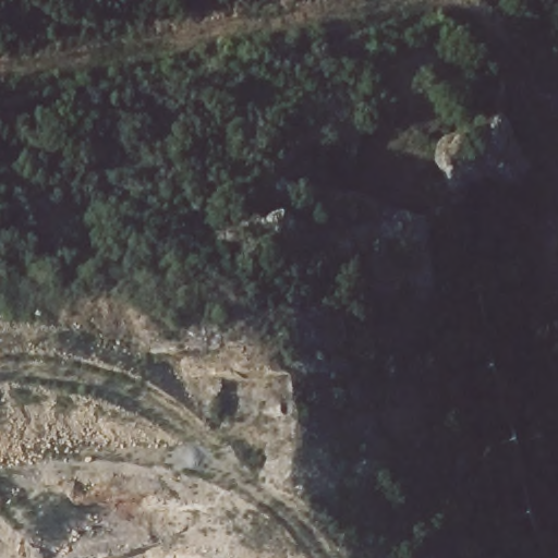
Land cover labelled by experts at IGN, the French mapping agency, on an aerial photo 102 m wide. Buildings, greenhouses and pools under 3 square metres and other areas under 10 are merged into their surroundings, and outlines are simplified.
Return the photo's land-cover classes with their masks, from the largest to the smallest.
<instances>
[{"label":"deciduous trees","instance_id":"1","mask_svg":"<svg viewBox=\"0 0 558 558\"><path fill-rule=\"evenodd\" d=\"M305 0H0V54H35L44 50L48 44L57 41H61V50L76 48L78 28L87 31L89 35H96L107 24V20L122 17L129 22L137 20L146 28H153L157 20L185 22L203 20L211 13L231 15L235 7L242 17L264 20L262 26L251 33L229 35L218 44L216 39L207 41L205 50L192 52L187 48L177 52L172 65L163 70L161 76L153 74V63L146 59L126 63L124 70H116V74L111 76L105 68H92L89 81L85 85L76 81L74 70H61L57 76L50 78H39V72H31L24 74V78L35 87L31 89V94L26 92L0 98V268L9 266L22 277L31 272L39 283H44L52 275H59L61 283L70 286L78 268L89 259L96 266L98 279L111 288H116L120 296H124L140 314L146 316L148 329H157L161 340L177 342L183 340L187 336V329L192 327L216 325L233 342L246 338L253 344H262L268 349L270 368L286 371L292 377L296 403V434L301 438L294 449L290 480L292 484L303 486V499L310 506L312 510L327 512L336 519L338 530L344 532V547L349 549L351 558H558V299L554 281L541 270V262L527 248L523 229L514 220V207L519 209L521 205H534L536 198H543L547 194V185L541 177V170L527 159V168L519 174L517 183L490 177L477 179L475 183H469L456 192V209L449 211L447 222L440 229L438 242L434 244L432 240H427V220L419 218L423 207L403 192L395 187H384L377 179L366 177L362 172V166L373 159V150L377 144L388 146V142L392 140L388 118H379L377 113V105L386 98V85L379 81V74H373V63L377 61L375 50L397 52V41L419 46L423 41L429 48H436L429 61L412 76V89L429 98L436 116L445 124H453L456 133L462 140L456 155L462 159H475L484 150L482 126H486L488 122L490 126H497V122H514L512 116L504 109V96L514 85V74L506 70L504 54L497 50L495 39L484 33L480 24L466 20L460 26L458 22L445 15L438 24L427 26L414 9L408 17H403L401 11L390 9L384 13H371L362 20H312L310 24H290L288 15L296 13L299 4ZM501 11L506 15H512L527 31L530 50L536 57V61H543L545 81L558 89V0H501ZM512 144L519 150V155H523L532 144V135L525 129H519L512 137Z\"/></svg>","mask_w":558,"mask_h":558},{"label":"pervious surface","instance_id":"2","mask_svg":"<svg viewBox=\"0 0 558 558\"><path fill-rule=\"evenodd\" d=\"M268 349L262 344H253L246 338L233 342L216 325L192 327L187 329V336L183 340L177 342L161 340L157 329H148L146 316L140 314L124 296H120L116 288H111V292H105L102 299H81L70 310H61L59 320L54 325L0 320V371H20L24 375L76 381L87 386L102 384L105 379L100 375L83 371H76V375H68V364L81 362L126 375L131 379L144 377L148 384L146 390L140 395V403L144 408L161 412L168 421V427L161 429L155 423L137 416L135 412H129L122 405L109 403L105 399L74 395L70 390H52L35 384L0 381V558H279L277 554H262L242 547L238 534H233V525L248 527L251 521L244 519V510H255L259 501L270 504L272 499H279L294 512L305 510L310 506L303 499V486L292 484L290 480L294 449L301 438L296 434V403L292 377L286 371L270 368Z\"/></svg>","mask_w":558,"mask_h":558},{"label":"herbaceous vegetation","instance_id":"3","mask_svg":"<svg viewBox=\"0 0 558 558\"><path fill-rule=\"evenodd\" d=\"M501 0H305L299 4L296 13L288 15L290 24H310L312 20H362L371 13H384L390 9L401 11L403 17H408L414 9L427 26L438 24L445 15L458 22L460 26L466 20L480 24L484 33L495 39L497 50L504 54L506 70L514 74V85L504 96V109L512 116L514 122L519 129H525L532 135V144L523 155L527 159L541 170V177L547 185V194L543 198H536L534 205H521L519 209L514 207V220L523 229L527 248L541 262V270L554 281L558 299V89L545 81L543 61H536V57L530 50L527 31L512 15H506L501 11ZM264 20L242 17L235 7L231 15L211 13L203 20L185 22L157 20L153 28H146L137 20L129 22L122 17L107 20V24L96 35H89L87 31L78 28L76 48L61 50V41H57L48 44L44 50L35 54H0V98L26 92L31 94V89L35 87L24 78V74L31 72H39V78H50L57 76L61 70H74L76 81L85 85L89 81L92 68H105L111 76L116 74V70H124L126 63L146 59L153 63V74L161 76L163 70L172 65L177 52L187 48L192 52L205 50L207 41L216 39L218 44L229 35L251 33L262 26ZM397 52L375 50L377 61L373 63V74H379V81L386 85V98L377 105V113L379 118H388L392 140L388 142V146L377 144L373 150V159L362 166V172L366 177L377 179L384 187H395L403 192L423 207L419 218L427 220V240H432L434 244L438 242L440 229L447 222L449 211L456 209V192L449 190L445 172L436 166V144L442 135L456 133L453 124H445L436 116L429 98L412 89V76L429 61L436 48H429L423 41L419 46L397 41ZM244 519L251 521L248 527L233 525V534H238L242 547L262 554H277L279 558H351L349 549L344 547V532L338 530L336 519L327 512L312 510L310 506L305 510L294 512L279 499H272L270 504L259 501L255 510H244Z\"/></svg>","mask_w":558,"mask_h":558},{"label":"brushwood","instance_id":"4","mask_svg":"<svg viewBox=\"0 0 558 558\"><path fill-rule=\"evenodd\" d=\"M105 292H111V288L98 279L96 266L89 259L78 268L70 286L61 283L59 275H52L44 283H39L31 272L22 277L9 266L0 268V320L54 325L59 320L61 310H70L81 299H102ZM76 371H83L100 375L105 379L102 384L87 386L76 381L24 375L20 371H0V381L35 384L52 390H70L74 395L105 399L109 403L122 405L129 412H135L137 416L155 423L161 429L168 427V421L161 412L144 408L140 403V395L146 390L148 384L144 377L131 379L126 375L81 362L68 364V375H76Z\"/></svg>","mask_w":558,"mask_h":558},{"label":"bare soil","instance_id":"5","mask_svg":"<svg viewBox=\"0 0 558 558\"><path fill-rule=\"evenodd\" d=\"M519 129L514 122H497V126H490L488 122L486 126H482L484 150L475 159H462L456 155L462 140L456 133L442 135L436 144V166L445 172L449 190L456 192L469 183H475L477 179L490 177L517 183L519 174L527 168V159L523 155H519V150L512 144V137Z\"/></svg>","mask_w":558,"mask_h":558}]
</instances>
